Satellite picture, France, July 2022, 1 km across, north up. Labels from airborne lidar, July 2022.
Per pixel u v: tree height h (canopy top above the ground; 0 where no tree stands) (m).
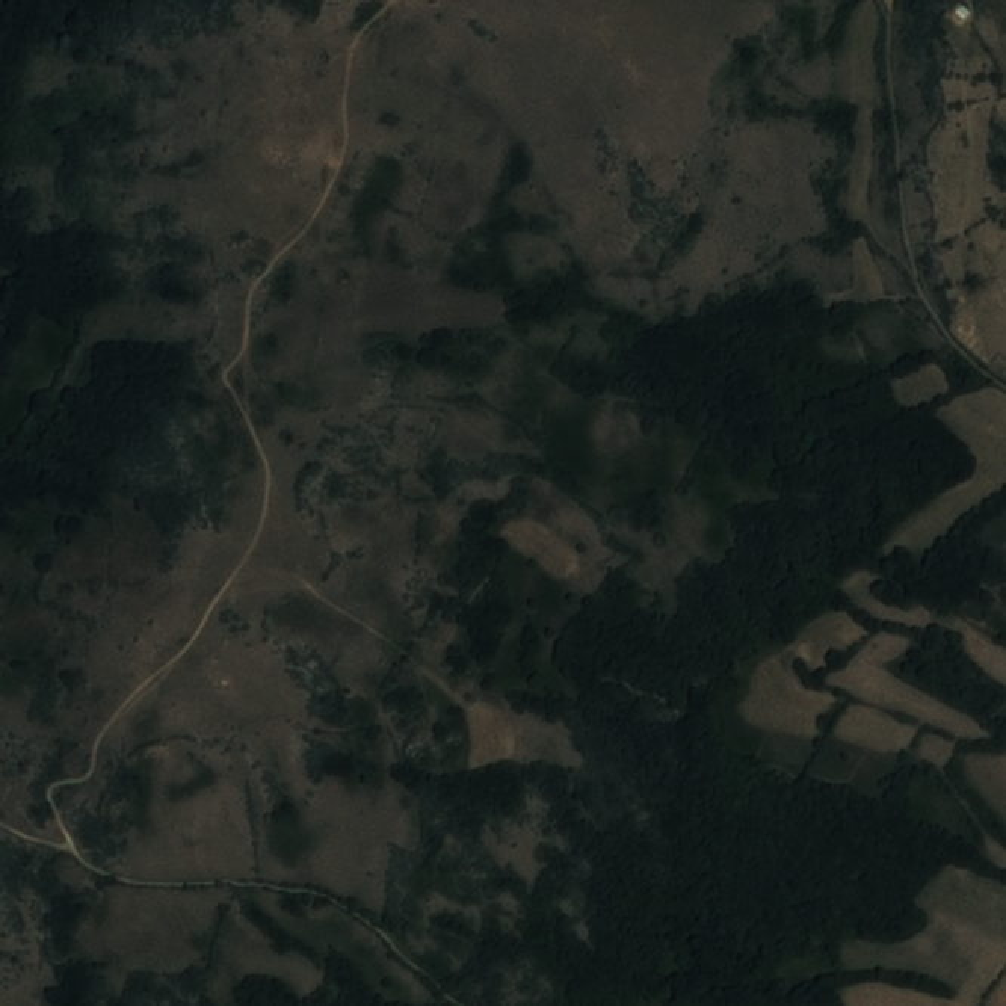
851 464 23
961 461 19
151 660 0
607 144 0
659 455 0
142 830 0
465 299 0
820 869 14
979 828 7
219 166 0
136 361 15
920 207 0
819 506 9
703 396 10
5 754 0
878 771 0
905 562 25
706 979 20
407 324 0
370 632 0
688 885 18
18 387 0
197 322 0
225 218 0
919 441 14
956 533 15
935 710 0
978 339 0
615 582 10
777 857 7
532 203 0
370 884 0
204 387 0
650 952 21
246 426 0
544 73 0
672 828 14
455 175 0
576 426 0
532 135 0
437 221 0
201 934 0
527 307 10
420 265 0
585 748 9
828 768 0
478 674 0
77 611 0
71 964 6
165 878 0
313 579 0
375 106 0
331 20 0
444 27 0
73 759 0
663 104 0
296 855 0
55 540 0
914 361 16
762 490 0
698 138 0
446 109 0
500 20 0
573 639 9
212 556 0
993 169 6
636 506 7
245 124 0
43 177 0
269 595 0
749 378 16
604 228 0
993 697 8
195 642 0
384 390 0
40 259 21
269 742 0
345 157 0
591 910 10
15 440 9
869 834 15
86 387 8
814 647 0
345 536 0
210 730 0
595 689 13
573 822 8
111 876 7
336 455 0
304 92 0
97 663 0
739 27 0
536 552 0
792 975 0
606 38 0
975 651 0
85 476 6
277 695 0
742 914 14
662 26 0
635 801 8
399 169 0
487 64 0
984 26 0
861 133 0
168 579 0
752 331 12
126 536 0
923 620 0
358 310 0
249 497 0
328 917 0
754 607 26
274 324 0
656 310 0
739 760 18
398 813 0
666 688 20
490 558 8
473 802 7
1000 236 0
